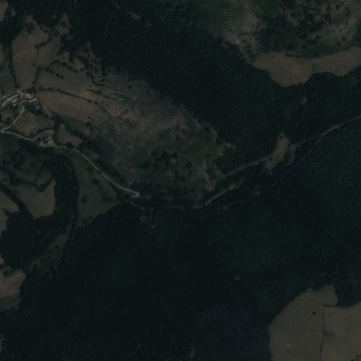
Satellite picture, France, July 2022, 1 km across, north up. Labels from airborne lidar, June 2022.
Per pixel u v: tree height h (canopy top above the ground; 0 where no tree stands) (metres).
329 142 11
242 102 18
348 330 0
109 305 14
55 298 21
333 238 15
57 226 11
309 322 0
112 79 0
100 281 20
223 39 8
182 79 15
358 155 11
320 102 11
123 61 19
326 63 0
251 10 0
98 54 21
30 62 0
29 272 10
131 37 19
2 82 0
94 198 0
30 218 22
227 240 16
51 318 11
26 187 0
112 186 15
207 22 0
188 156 0
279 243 12
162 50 11
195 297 16
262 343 16
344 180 13
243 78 6
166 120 0
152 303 20
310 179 15
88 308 14
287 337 0
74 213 9
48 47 0
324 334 0
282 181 18
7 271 7
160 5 19
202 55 14
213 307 16
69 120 0
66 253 23
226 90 18
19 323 15
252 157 22
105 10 8
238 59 10
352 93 21
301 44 0
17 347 19
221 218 15
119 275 19
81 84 0
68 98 0
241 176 11
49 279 17
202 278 19
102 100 0
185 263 22
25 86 0
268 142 15
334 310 0
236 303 19
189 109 11
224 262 16
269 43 15
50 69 12
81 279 21
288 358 0
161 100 0
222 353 19
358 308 0
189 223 19
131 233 19
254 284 18
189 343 16
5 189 18
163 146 0
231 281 18
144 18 15
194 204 8
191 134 0
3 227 0
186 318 14
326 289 0
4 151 0
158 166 18
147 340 22
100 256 16
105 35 23
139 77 10
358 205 14
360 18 0
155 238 17
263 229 13
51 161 12
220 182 11
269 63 0
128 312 21
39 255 15
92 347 10
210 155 14
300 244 19
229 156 16
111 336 13
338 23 0
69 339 15
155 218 17
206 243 21
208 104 15
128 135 0
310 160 11
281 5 14
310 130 18
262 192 15
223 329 20
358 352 0
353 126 15
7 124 13
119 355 14
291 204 19
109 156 0
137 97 0
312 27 13
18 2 10
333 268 15
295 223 18
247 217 18
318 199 20
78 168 0
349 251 14
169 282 16
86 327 14
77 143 0
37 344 18
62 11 12
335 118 15
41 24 15
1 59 0
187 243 27
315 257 16
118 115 0
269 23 22
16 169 9
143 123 0
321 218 18
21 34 0
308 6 8
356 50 0
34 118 0
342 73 0
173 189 7
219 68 26
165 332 18
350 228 14
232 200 8
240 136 14
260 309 18
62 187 11
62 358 19
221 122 17
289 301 10
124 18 10
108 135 0
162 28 14
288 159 9
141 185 15
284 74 0
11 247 23
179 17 20
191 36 22
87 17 23
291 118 8
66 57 0
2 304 0
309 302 0
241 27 0
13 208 0
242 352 21
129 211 17
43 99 0
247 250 13
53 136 14
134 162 0
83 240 21
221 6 0
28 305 17
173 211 19
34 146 6
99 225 26
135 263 23
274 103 19
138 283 21
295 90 14
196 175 0
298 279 17
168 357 15
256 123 14
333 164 10
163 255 18
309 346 0
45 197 0
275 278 17
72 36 14
